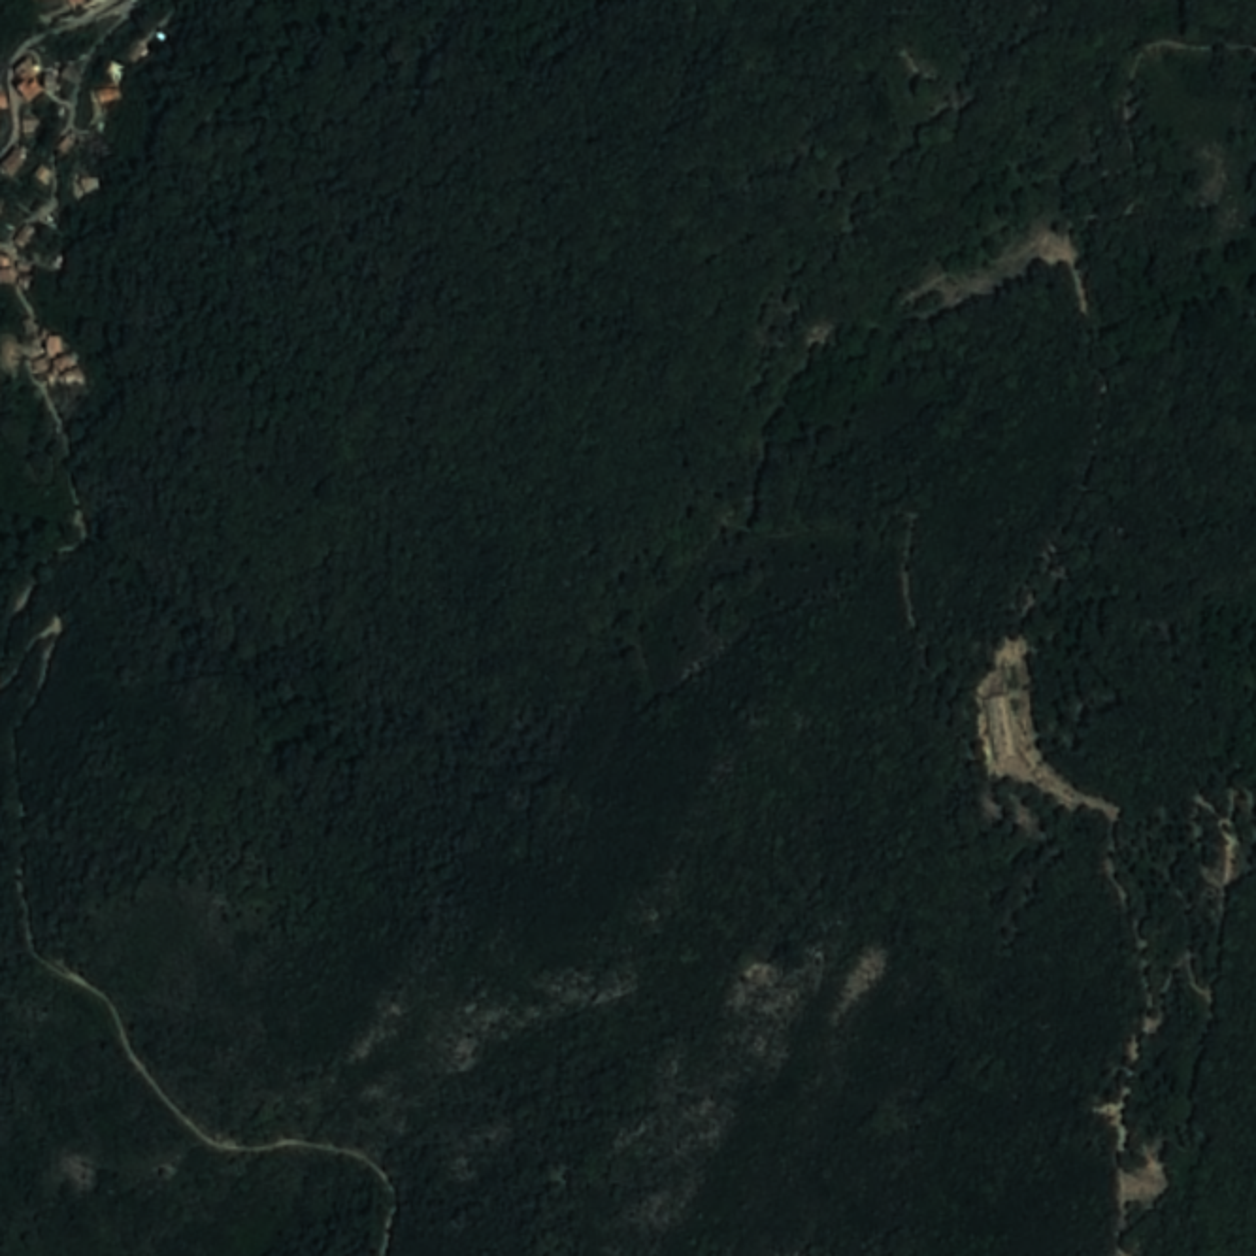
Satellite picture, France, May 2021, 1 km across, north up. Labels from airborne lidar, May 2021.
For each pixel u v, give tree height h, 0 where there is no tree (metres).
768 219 17
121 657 7
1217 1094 16
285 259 18
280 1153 7
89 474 15
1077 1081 12
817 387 18
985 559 13
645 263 19
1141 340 20
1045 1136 9
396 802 10
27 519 15
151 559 13
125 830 7
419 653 14
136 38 6
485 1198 12
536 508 14
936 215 17
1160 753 15
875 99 16
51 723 6
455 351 16
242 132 16
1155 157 11
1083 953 13
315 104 15
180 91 11
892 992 6
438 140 16
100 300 16
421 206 15
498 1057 6
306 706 18
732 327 14
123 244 12
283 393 12
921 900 13
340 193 19
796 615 7
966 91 9
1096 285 14
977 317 16
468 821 15
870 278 16
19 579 14
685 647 9
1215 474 20
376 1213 12
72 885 9
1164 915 10
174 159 11
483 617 11
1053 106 12
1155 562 22
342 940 7
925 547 7
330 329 15
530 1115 9
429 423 15
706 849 8
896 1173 7
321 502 15
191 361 16
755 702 9
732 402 16
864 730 7
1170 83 0
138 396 15
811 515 18
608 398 15
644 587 12
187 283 16
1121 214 8
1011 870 17
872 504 16
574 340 17
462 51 20
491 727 16
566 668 15
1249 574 15
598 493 11
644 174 13
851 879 9
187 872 8
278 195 16
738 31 15
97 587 7
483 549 8
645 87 10
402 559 14
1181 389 9
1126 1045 6
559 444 12
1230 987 13
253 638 15
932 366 9
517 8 16
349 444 17
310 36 17
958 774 16
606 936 7
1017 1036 11
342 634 18
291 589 14
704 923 10
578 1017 8
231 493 12
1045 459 7
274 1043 5
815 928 9
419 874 8
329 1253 12
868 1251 9
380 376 15
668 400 19
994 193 19
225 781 11
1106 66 14
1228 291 22
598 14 19
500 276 17
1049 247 0
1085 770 18
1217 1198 12
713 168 16
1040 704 15
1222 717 19
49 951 8
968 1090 8
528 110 18
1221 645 19
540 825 11
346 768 11
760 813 9
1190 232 19
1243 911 12
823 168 13
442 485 12
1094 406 10
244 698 19
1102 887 14
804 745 8
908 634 9
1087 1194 6
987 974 15
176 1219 7
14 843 15
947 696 17
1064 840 16
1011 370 10
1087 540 18
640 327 14
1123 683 18
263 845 8
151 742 12
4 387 8
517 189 16
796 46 13
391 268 13
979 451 8
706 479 15
